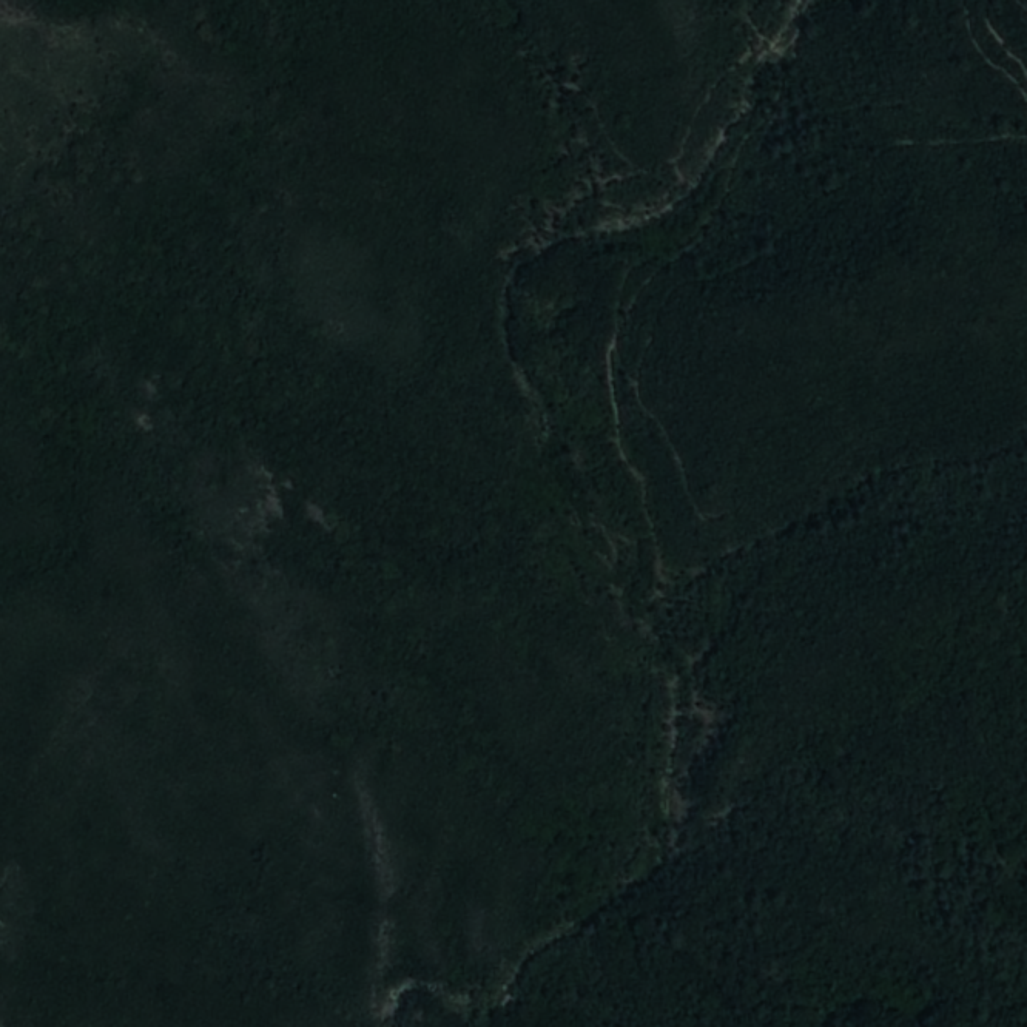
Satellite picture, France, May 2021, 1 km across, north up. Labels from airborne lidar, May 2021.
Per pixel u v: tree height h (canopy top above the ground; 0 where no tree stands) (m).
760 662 13
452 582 14
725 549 12
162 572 6
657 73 7
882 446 13
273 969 12
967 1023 12
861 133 11
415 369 9
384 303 7
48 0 7
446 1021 7
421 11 8
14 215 7
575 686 6
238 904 8
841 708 7
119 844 6
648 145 7
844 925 8
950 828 21
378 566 14
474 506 10
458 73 6
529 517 11
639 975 12
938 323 8
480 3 9
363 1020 7
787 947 12
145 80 8
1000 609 7
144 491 10
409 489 11
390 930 7
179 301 11
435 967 8
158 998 6
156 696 6
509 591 9
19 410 7
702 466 8
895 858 16
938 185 7
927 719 10
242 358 11
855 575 12
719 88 6
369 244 7
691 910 17
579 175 11
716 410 8
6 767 6
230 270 7
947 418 15
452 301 12
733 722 11
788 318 6
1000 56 9
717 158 11
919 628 8
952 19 14
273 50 7
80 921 6
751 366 6
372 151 7
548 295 14
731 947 14
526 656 6
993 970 9
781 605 11
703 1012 17
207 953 8
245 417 9
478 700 7
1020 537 15
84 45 0
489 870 8
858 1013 18
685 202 9
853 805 12
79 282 7
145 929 6
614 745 10
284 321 9
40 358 10
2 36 0
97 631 6
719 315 8
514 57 14
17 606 6
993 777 12
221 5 7
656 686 7
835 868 9
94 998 6
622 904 25
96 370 9
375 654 7
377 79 6
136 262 13
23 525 5
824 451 8
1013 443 23
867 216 9
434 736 8
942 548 12
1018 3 8
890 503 14
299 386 10
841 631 11
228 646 8
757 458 7
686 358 12
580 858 10
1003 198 9
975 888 17
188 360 11
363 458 10
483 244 8
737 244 6
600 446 8
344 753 6
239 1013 6
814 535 14
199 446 5
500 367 12
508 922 6
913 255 11
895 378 10
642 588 8
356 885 6
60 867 5
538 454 8
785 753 12
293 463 12
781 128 19
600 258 17
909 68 8
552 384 7
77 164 10
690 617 16
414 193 6
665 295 6
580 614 9
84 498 11
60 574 9
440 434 11
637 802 7
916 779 8
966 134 8
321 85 6
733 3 10
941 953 7
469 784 9
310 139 6
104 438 9
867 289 8
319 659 8
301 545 9
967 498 10
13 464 6
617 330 12
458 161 6
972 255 7
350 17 6
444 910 7
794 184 11
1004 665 11
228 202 12
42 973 7
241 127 10
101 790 5
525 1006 17
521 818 6
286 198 10
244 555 8
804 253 11
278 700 7
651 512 8
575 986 11
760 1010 25
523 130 8
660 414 7
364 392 8
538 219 8
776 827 13
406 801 5
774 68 21
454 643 10
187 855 6
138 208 5
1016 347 11
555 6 6
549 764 7
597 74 7
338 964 6
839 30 10
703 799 12
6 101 0
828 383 7
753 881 16
